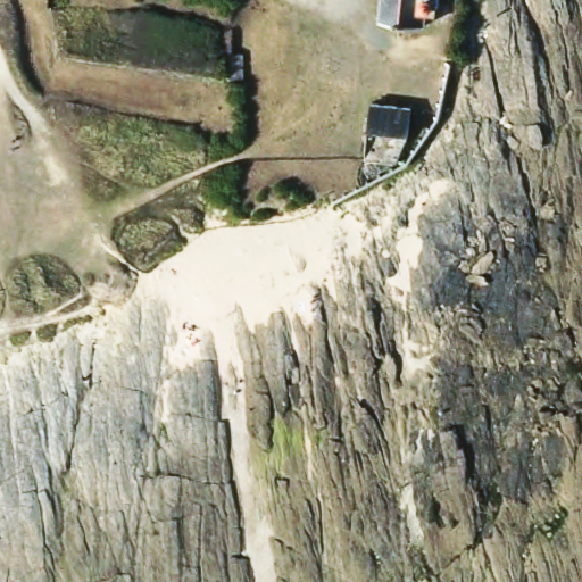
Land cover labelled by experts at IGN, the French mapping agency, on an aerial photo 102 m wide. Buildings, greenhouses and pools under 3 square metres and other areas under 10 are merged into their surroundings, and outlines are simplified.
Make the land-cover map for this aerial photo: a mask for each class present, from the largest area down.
<instances>
[{"label":"bare soil","instance_id":"1","mask_svg":"<svg viewBox=\"0 0 582 582\"><path fill-rule=\"evenodd\" d=\"M482 7L484 16V27L480 30L482 52L477 61L466 64L462 70L452 116L437 136V141L430 146L425 161L418 164L414 173L402 175L393 189H375L368 196L357 198L341 209H314L309 205L291 211L286 216H273L266 221L252 225L246 218H234L227 209H218L209 198H205L207 186L200 182L198 186H191L189 182L180 184L177 189L166 191L155 200L114 218L109 241L125 259L118 261L111 257L109 264L125 273L123 289H111L107 284L95 282L91 286V302L86 307H80L68 314L55 311V307L64 298L77 293L82 286L80 273L73 271L70 264L61 257L41 252L16 257L7 264V275L0 277V582H582V0H475Z\"/></svg>","mask_w":582,"mask_h":582},{"label":"pervious surface","instance_id":"2","mask_svg":"<svg viewBox=\"0 0 582 582\"><path fill-rule=\"evenodd\" d=\"M118 7H152V14L157 16L209 27L214 34L216 55L218 59H223L227 77L216 80L182 70L141 68L132 64H100L91 59L68 57V48H84L86 25L91 30L107 27L109 32H132V18L127 20L123 16H114V9ZM377 0H234V7L225 16L216 7L207 5H198L196 11H189L184 7V0H0V277L7 275V264L16 257L41 252L61 257L70 264L73 271L80 273L82 286L77 293L64 298L55 307V311L68 314L80 307H86L91 302V286L95 282L107 284L111 289H123L125 273L109 264L111 257L118 261L125 259L109 241L114 218L155 200L166 191L177 189L180 184L189 182L191 186H198L200 182L205 173L227 164H236L234 189L239 198L248 196L252 207L259 209L266 221L273 216H286L291 211L286 200L280 196L259 200V191L268 182H282L284 189L300 193L309 205L314 209H341L357 198L368 196L375 189H393L402 175L414 173L418 164L425 161L430 146L437 141V136L452 116L462 70L448 66L446 48L450 43L452 23L462 16V0H455L448 14H443L437 23L427 27L398 30V25H393L391 30H382L375 23ZM239 84L243 89V143L248 148L243 152L207 161L200 168H193L180 177L159 184L157 189L132 193L109 205L93 202L80 184V152H89L95 159V168L102 175L114 177L120 173L123 155H127L125 146L98 148V130L114 118L143 120L150 123L155 130L177 127L184 132H193L202 143H209L211 139H221V143H225V139L230 136L227 132L234 130L232 105L227 102V86ZM377 98L384 105L411 109L409 134L405 136V146L400 155L393 159V164H373L371 171L364 173V157L371 155L366 150L368 111L373 100Z\"/></svg>","mask_w":582,"mask_h":582},{"label":"herbaceous vegetation","instance_id":"3","mask_svg":"<svg viewBox=\"0 0 582 582\"><path fill-rule=\"evenodd\" d=\"M114 16H123L127 20L132 18V32H109L107 27L91 30L86 25L84 48H68V57L91 59L100 64H132L141 68L182 70L216 80L227 77L223 59H218L216 55L214 34L209 27L157 16L152 14V7H118L114 9ZM125 146L127 155H123L120 173L114 177L102 175L95 168V159L89 152H80V184L93 202L109 205L132 193L157 189L159 184L180 177L193 168H200L207 161L202 155V143L193 132H184L177 127L155 130L150 123L143 120L114 118L98 130V148Z\"/></svg>","mask_w":582,"mask_h":582},{"label":"brushwood","instance_id":"4","mask_svg":"<svg viewBox=\"0 0 582 582\"><path fill-rule=\"evenodd\" d=\"M198 5H207L216 7L225 16L234 7V0H184V7L189 11H196ZM484 27V16L482 7L475 0H462V16L452 23L450 43L446 48L448 66L462 70L466 64L477 61L482 52L480 30ZM227 102L232 105L234 130L227 132L230 136L225 139V143H221V139H211L209 143H202V155L207 161L243 152L248 148L243 143V89L239 84L227 86ZM236 164H227L205 173L200 182L207 186L205 198H209L218 209H227L234 218H246L252 225L266 221L259 209L252 207L248 196L239 198L234 189ZM280 196L286 200L291 211L309 205L300 193L284 189L282 182H268L259 191V200Z\"/></svg>","mask_w":582,"mask_h":582},{"label":"building","instance_id":"5","mask_svg":"<svg viewBox=\"0 0 582 582\"><path fill-rule=\"evenodd\" d=\"M455 0H377L375 23L382 30H391L393 25H398V30L427 27L437 23L443 14H448ZM411 109L384 105L377 98L373 100L368 111L366 150L371 155L364 157V173L371 171L373 164H393V159L400 155L405 146V136L409 134Z\"/></svg>","mask_w":582,"mask_h":582}]
</instances>
